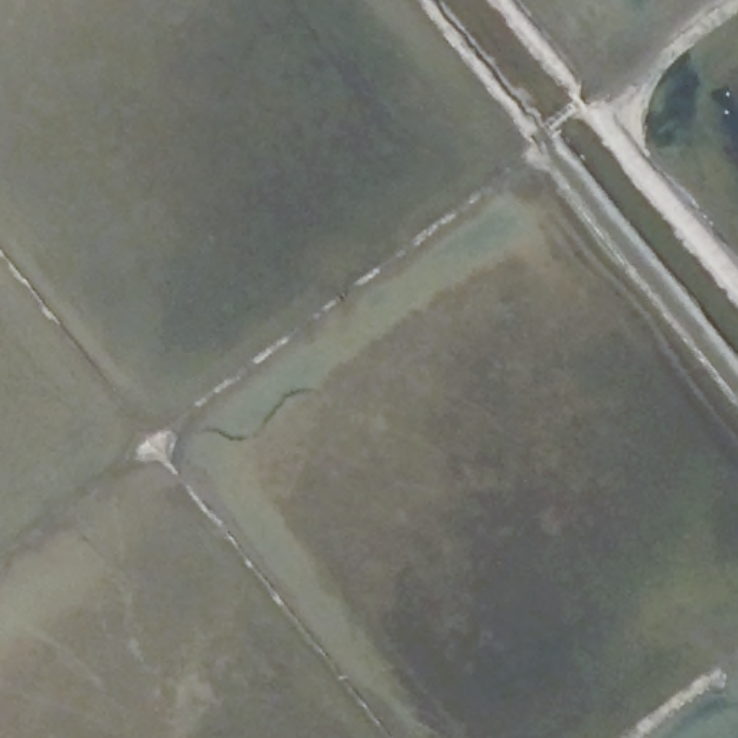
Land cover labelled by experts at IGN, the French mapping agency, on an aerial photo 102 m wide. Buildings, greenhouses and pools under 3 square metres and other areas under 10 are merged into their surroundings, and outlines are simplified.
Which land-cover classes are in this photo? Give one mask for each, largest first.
<instances>
[{"label":"water","instance_id":"1","mask_svg":"<svg viewBox=\"0 0 738 738\"><path fill-rule=\"evenodd\" d=\"M450 20V26L461 35L467 49L476 52V58L499 81V86L519 104L522 115L533 121V133L522 135L507 110L484 89L476 72L458 58V52L447 43L441 29L430 20L418 0H0V738H623L646 715L663 706L672 695H677L695 677L712 669L726 675L724 686L706 689L701 698H695L672 718H666L660 726H654L646 738H738V409L724 398L715 381L706 375V369L692 357V352L672 332V326L649 303V297L600 248L594 234L559 193L556 182L525 159V150L539 147L548 156V161L568 179L582 205L597 219V225L640 271V277L660 294L663 306H669V311L692 334L695 346L706 355V360L738 395V378L703 337L698 323L686 314V308L660 283V277L643 262V257L617 231V225L603 213L588 187L577 179V173L556 156L554 141L548 135V124L551 115L568 107V89L542 66V61H536L528 52L519 35L507 26L504 14L490 6V0H432ZM450 210L455 213V222H450L424 245H415L412 236ZM161 430L173 438L170 458L176 464V473H167L156 458H138V444ZM187 484L199 487L205 502L225 519V525L213 528L199 513V507L190 502L185 490ZM703 3L712 0H513V6L528 17V23L548 40V46L559 55L568 72L579 81V95L588 104L614 101L617 95H623L626 86H637L643 69L657 58V52L680 32V26L695 12L703 9ZM649 144L646 164L663 179L669 190L680 185L698 199V210L692 216L738 265V12L703 37H698L695 46H689L663 72L643 118ZM565 147L585 164V170L605 190L614 208L628 219V225L654 251L666 271L698 303V308L724 337V343L738 355V306L715 283L703 262L683 245L672 222L628 179V173L623 170L617 156L603 144L597 130L582 118H571L562 124Z\"/></svg>","mask_w":738,"mask_h":738},{"label":"pervious surface","instance_id":"2","mask_svg":"<svg viewBox=\"0 0 738 738\"><path fill-rule=\"evenodd\" d=\"M430 20L441 29L447 43L458 52V58L476 72L484 89L507 110L522 135L533 133V121L522 115L519 104L499 86V81L476 58V52L467 49L461 35L450 26V20L432 0H418ZM490 6L504 14L507 26L519 35L528 52L536 61H542V66L568 89V107L551 115L548 124V135L554 141L556 156L577 173V179L588 187L603 213L617 225V231L643 257V262L660 277V283L686 308V314L698 323L703 337L738 378V355L724 343V337L698 308V303L666 271L654 251L628 225V219L614 208L605 190L585 170V164L565 147L562 124L571 118H582L597 130L603 144L617 156L623 170L628 173V179L672 222L683 245L703 262L715 283L738 306V265L692 216L698 210V199L680 185L669 190L663 179L646 164L649 144L643 118L663 72L689 46H695L698 37H703L738 12V0H712L703 3V9L695 12L680 26V32L657 52V58L643 69L637 86H626L623 95H617L614 101L588 104L579 95V81L568 72L559 55L548 46V40L528 23V17L513 6V0H490ZM525 159L556 182L559 193L594 234L600 248L649 297V303L672 326V332L692 352V357L706 369V375L715 381L724 398L738 409V395L706 360V355L695 346L692 334L669 311V306H663L660 294L640 277V271L597 225V219L582 205L568 179L548 161V156L539 147L525 150ZM450 222H455V213L450 210L412 236L415 245H424ZM173 438L161 430L138 444V458H156L167 473H176V464L170 458ZM185 490L190 502L199 507V513L213 528L225 525V519L205 502L199 487L187 484ZM726 675L712 669L695 677L677 695H672L663 706L646 715L623 738H646L654 726H660L666 718H672L695 698H701L706 689L724 686Z\"/></svg>","mask_w":738,"mask_h":738}]
</instances>
